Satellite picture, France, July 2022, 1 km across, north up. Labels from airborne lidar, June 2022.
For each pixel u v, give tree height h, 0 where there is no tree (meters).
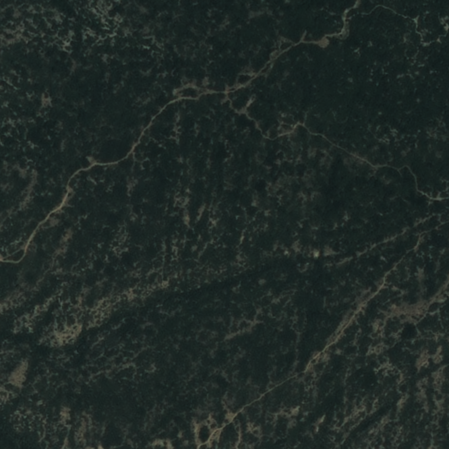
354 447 0
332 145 0
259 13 0
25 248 0
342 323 0
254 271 6
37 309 0
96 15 0
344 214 0
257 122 0
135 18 0
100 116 0
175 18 0
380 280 0
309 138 0
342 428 0
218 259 0
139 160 0
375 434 0
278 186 0
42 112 0
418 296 0
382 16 5
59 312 0
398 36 6
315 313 6
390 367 0
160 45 0
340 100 0
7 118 0
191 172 0
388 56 6
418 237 0
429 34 6
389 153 0
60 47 0
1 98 0
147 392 0
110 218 5
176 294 6
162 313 0
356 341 0
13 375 0
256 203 0
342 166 0
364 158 0
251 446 0
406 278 0
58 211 0
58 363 0
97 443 0
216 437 0
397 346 6
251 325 0
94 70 0
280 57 0
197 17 0
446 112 6
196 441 0
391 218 0
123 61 0
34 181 0
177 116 0
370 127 0
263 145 0
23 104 0
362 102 5
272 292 0
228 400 0
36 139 6
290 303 0
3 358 0
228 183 0
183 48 0
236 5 0
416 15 6
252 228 0
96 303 0
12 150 5
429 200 0
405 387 6
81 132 5
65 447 0
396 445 0
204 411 0
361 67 5
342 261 0
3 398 0
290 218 0
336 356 6
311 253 0
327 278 5
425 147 0
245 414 0
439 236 6
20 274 0
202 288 6
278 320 0
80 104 0
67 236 0
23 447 7
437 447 0
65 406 0
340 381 0
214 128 0
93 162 0
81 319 0
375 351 0
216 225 0
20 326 0
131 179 0
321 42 0
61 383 0
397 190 0
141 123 0
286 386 0
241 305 0
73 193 0
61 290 0
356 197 0
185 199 0
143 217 0
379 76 6
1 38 0
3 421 6
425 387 7
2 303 0
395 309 0
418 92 6
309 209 0
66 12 6
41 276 0
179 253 0
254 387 0
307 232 0
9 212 0
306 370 0
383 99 6
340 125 5
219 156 5
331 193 5
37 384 0
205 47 0
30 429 0
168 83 0
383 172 0
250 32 0
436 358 0
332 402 6
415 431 0
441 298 0
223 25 0
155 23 0
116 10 5
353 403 0
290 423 0
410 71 0
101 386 0
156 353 0
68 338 0
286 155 0
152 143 6
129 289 0
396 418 0
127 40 6
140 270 0
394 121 6
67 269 0
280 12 0
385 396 0
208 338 0
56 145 5
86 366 0
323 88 0
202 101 0
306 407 0
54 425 0
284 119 0
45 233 0
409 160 0
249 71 0
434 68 6
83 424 0
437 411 0
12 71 0
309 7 6
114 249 0
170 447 0
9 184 0
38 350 6
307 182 0
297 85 5
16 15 0
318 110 0
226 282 6
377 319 0
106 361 0
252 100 0
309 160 0
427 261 5
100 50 6
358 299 0
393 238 0
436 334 0
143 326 0
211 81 0
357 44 6
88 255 0
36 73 0
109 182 6
